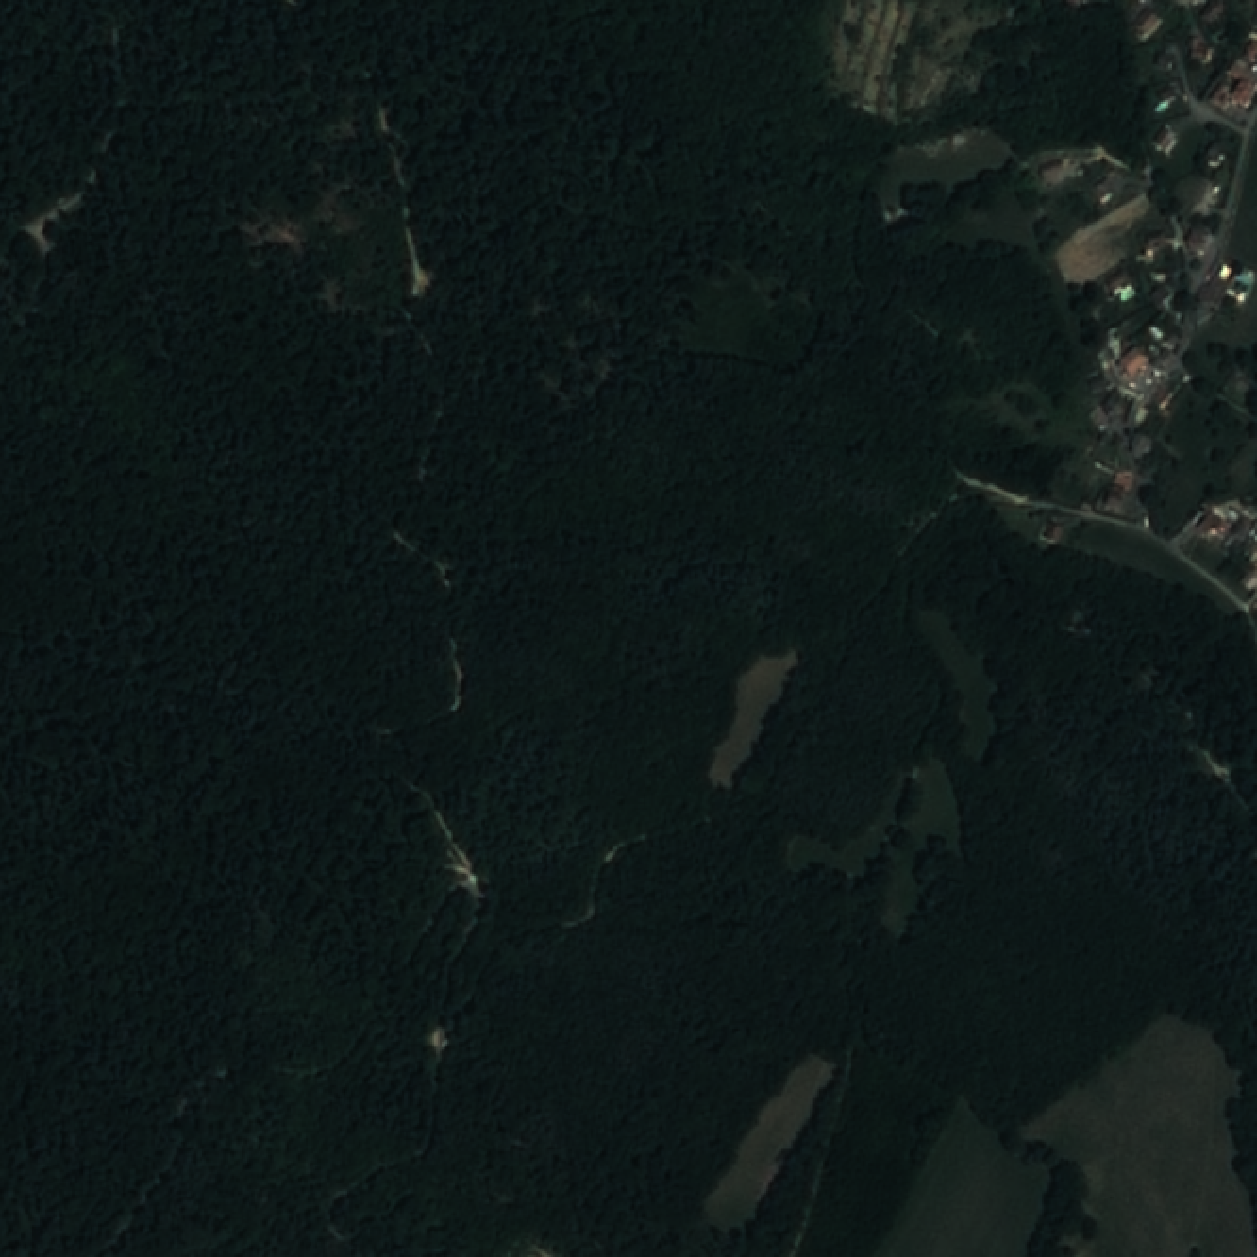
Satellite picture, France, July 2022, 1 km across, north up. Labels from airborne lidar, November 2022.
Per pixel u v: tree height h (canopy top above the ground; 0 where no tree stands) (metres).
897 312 14
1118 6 12
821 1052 20
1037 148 19
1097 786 18
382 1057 11
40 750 23
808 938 21
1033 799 16
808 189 20
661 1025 15
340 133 9
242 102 14
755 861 18
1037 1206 0
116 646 20
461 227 25
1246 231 0
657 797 20
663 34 18
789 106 19
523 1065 16
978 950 18
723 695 18
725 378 12
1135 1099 0
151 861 9
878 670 13
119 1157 17
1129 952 16
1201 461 0
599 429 15
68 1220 18
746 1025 15
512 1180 19
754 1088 19
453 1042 12
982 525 21
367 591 14
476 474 12
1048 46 14
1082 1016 17
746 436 15
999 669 21
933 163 0
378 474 16
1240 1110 16
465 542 9
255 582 21
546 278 10
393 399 15
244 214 19
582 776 15
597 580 15
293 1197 18
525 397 21
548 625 13
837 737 13
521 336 17
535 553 21
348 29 27
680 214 16
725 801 17
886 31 0
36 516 23
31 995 22
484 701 10
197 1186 22
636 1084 13
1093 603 28
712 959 13
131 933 13
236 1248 18
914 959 16
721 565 18
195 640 15
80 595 23
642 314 17
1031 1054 17
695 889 13
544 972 20
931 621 0
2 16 23
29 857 7
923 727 11
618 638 19
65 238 12
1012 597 27
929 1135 15
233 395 18
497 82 27
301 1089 12
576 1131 16
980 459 13
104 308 16
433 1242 13
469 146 22
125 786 25
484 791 19
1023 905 18
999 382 15
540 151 26
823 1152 21
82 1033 11
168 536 12
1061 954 16
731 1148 17
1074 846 11
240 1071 13
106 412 17
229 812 26
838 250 12
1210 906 26
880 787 15
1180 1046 0
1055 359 21
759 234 14
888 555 11
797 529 14
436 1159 15
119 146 22
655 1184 19
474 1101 16
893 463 15
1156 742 20
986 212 14
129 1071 18
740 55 16
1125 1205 0
